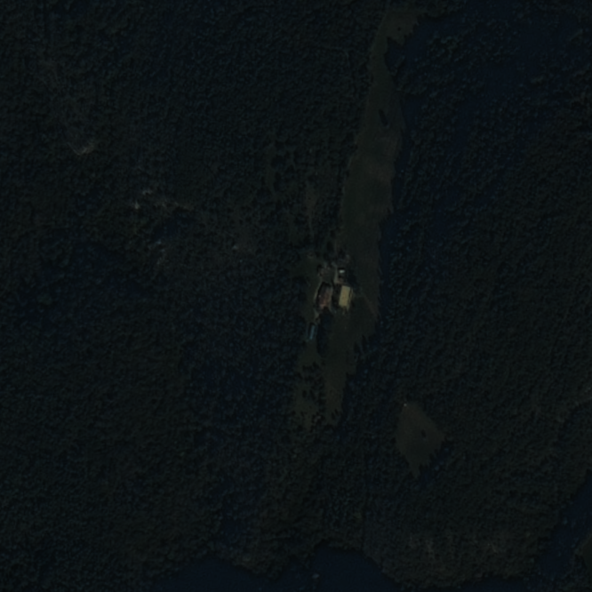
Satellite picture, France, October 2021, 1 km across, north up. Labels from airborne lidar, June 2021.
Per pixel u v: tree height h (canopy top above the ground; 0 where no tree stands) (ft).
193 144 46
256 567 31
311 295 0
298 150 28
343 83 35
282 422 20
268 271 22
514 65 52
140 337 61
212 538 70
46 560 69
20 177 63
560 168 43
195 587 79
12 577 53
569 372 29
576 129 59
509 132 37
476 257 52
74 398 35
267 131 31
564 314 26
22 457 59
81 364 31
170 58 37
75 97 31
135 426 68
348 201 0
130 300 66
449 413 47
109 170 60
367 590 46
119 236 58
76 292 76
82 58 31
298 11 63
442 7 57
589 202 40
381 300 0
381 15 23
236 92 51
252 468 38
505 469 21
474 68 58
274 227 38
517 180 48
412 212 52
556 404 27
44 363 39
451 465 41
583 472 47
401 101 0
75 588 63
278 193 38
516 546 26
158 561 78
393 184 0
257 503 35
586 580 74
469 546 28
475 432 38
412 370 38
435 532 22
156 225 33
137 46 48
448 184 30
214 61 49
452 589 40
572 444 29
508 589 65
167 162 27
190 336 67
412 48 0
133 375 58
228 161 38
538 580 65
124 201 38
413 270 48
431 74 55
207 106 35
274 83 50
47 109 37
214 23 42
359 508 67
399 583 52
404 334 27
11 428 44
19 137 38
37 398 41
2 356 65
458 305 26
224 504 41
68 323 37
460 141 20
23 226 43
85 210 83
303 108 51
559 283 34
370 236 0
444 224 43
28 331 102
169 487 70
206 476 85
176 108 36
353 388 44
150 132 29
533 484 43
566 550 51
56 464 58
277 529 85
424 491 56
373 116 0
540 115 32
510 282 43
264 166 39
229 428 52
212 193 32
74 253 62
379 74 0
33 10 38
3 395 71
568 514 64
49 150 99
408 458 0
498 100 43
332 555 49
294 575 88
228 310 38
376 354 40
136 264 60
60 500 51
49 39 50
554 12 72
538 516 32
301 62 42
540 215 31
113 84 48
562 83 60
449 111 57
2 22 67
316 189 21
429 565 21
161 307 44
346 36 27
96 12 53
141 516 58
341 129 56
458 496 47
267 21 31
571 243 33
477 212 42
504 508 29
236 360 38
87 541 52
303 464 54
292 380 35
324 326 61
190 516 67
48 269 78
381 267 0
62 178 52
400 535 19
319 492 56
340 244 0
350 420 51
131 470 62
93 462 48
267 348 46
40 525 42
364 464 50
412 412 0
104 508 67
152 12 42
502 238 36
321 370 34
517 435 27
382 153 0
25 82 66
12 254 43
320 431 43
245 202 20
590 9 51
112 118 43
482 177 32
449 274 42
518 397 31
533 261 65
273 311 55
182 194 48
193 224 26
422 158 44
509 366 27
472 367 31
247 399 36
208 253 35
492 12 78
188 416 92
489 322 37
